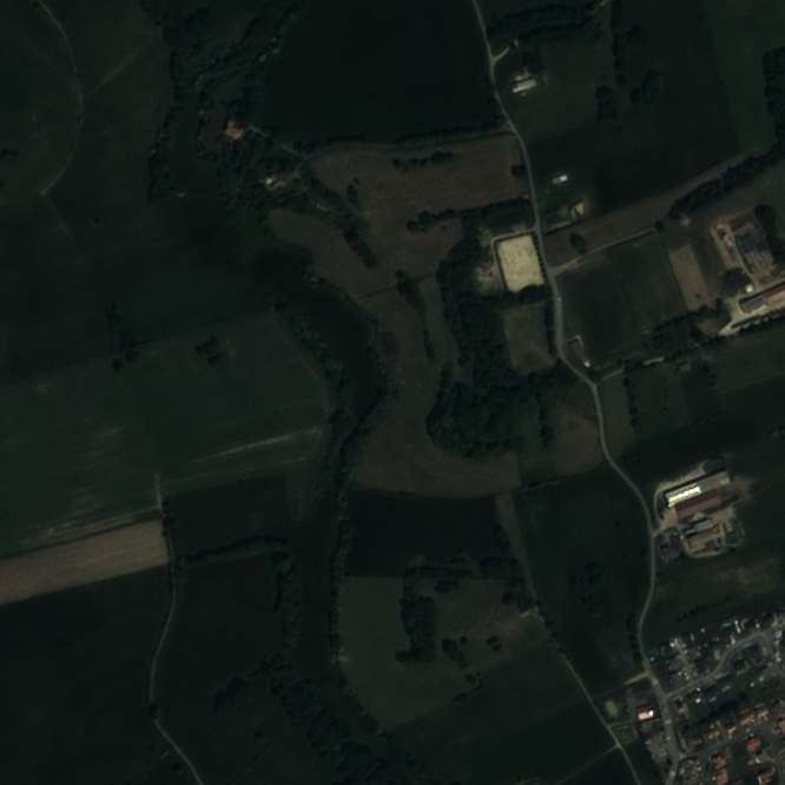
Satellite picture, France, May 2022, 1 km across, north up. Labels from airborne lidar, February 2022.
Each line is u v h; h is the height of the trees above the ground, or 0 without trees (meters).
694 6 0
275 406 0
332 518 0
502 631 0
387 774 24
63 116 0
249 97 16
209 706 0
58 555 0
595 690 0
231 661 0
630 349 0
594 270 0
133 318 0
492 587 0
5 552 0
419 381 0
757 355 0
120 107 0
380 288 0
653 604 0
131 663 0
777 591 0
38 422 0
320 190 7
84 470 0
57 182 0
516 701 0
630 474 0
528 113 0
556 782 0
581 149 0
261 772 0
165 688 0
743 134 0
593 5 7
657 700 0
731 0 0
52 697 0
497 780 0
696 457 0
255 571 0
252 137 7
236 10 0
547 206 0
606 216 0
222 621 0
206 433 0
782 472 0
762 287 0
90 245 0
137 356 16
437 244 0
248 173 15
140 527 0
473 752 0
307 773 0
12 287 0
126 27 0
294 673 19
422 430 0
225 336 0
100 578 0
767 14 0
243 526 0
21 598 0
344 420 14
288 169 12
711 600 0
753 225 0
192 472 0
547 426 9
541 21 14
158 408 0
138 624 0
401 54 0
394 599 0
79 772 0
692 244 0
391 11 0
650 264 0
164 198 13
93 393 0
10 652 0
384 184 0
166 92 0
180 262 0
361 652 0
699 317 12
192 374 0
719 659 0
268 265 0
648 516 0
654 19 0
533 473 0
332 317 0
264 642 0
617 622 0
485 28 0
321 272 0
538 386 16
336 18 0
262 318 0
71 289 0
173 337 0
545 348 0
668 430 0
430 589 0
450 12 0
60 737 0
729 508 0
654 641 0
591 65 0
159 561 0
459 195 0
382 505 0
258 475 0
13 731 0
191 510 0
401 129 0
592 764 0
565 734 0
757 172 15
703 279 0
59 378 0
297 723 11
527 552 0
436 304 0
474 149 0
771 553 0
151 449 0
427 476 0
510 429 0
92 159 0
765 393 0
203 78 8
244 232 0
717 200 13
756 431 0
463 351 11
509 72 0
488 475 0
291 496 0
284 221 0
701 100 0
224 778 0
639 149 0
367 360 0
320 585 0
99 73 0
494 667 0
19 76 0
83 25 0
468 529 0
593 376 10
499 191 0
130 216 0
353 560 0
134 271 0
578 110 0
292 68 0
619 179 0
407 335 0
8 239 0
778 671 0
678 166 0
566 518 0
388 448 0
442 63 0
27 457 0
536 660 0
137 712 0
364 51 0
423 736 0
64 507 0
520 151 0
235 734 0
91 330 0
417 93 0
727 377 0
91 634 0
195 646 0
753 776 0
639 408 11
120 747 0
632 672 0
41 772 0
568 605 0
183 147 0
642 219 0
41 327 0
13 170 0
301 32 0
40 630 0
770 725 0
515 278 0
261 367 0
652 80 14
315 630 0
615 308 0
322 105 0
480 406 13
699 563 0
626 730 0
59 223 0
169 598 0
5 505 0
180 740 0
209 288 0
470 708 0
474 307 14
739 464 0
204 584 0
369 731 0
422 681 0
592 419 0
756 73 0
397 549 0
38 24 0
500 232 0
